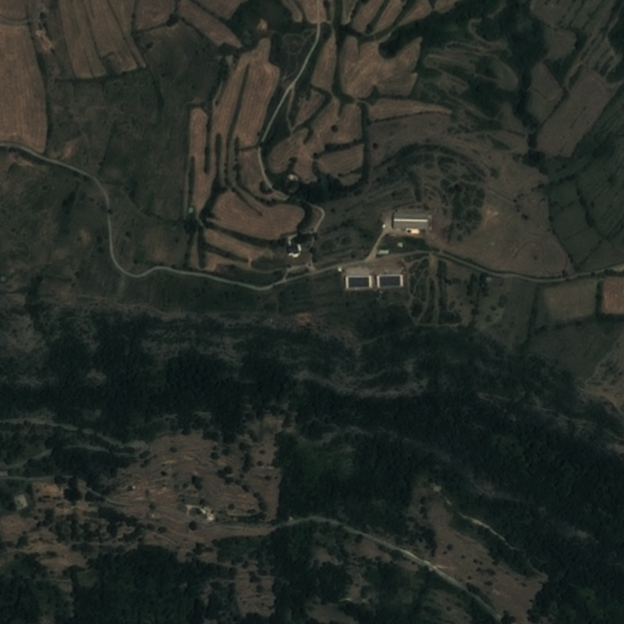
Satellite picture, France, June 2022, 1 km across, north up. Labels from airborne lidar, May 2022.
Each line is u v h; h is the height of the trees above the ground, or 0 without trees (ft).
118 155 0
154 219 0
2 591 52
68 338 32
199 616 52
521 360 21
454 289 0
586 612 26
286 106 0
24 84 0
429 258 0
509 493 26
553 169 0
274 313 0
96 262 0
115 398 53
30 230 0
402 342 29
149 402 29
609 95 0
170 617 62
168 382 25
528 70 20
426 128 0
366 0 35
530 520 25
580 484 51
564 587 43
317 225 0
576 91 0
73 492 52
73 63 0
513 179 0
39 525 41
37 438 30
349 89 0
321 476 23
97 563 62
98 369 30
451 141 0
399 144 0
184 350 22
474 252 0
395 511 21
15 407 24
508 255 0
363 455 31
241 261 0
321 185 33
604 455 22
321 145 0
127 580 18
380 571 33
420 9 0
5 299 0
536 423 35
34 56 0
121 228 0
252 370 38
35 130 0
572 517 38
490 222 0
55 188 0
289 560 49
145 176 0
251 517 25
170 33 0
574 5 0
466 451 47
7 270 0
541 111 0
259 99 0
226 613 39
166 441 0
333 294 0
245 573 0
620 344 0
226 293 25
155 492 0
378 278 0
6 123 0
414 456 38
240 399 34
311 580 41
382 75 0
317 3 0
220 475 37
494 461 47
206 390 52
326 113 0
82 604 38
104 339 22
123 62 0
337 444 23
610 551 32
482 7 17
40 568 28
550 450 37
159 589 25
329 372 27
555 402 17
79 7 0
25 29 0
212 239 0
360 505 43
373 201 0
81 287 0
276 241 29
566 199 0
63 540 27
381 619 36
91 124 0
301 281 0
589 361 0
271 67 0
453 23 0
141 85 0
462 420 43
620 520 37
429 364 39
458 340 25
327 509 30
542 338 0
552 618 19
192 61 0
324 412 61
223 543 28
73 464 50
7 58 0
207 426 33
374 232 0
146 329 21
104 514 34
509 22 24
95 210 0
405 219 0
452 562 0
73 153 0
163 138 0
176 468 0
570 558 62
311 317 0
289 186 25
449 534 0
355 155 0
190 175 18
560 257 0
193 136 0
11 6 0
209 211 26
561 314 0
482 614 34
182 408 41
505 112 0
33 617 55
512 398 21
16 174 0
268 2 0
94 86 0
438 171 0
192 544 0
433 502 0
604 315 20
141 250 0
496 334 0
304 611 52
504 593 0
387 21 0
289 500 29
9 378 27
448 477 32
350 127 0
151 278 0
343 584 36
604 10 0
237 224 0
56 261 0
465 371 26
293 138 0
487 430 21
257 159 0
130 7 0
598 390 0
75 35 0
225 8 0
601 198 0
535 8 0
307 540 44
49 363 30
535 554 22
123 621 47
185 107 0
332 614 0
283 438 34
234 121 0
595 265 0
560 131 0
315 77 0
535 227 0
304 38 0
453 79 0
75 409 24
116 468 25
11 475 31
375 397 46
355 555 24
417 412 28
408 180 0
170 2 0
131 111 0
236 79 0
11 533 0
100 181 0
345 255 0
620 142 0
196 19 0
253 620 53
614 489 46
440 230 0
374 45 0
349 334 0
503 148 0
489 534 27
